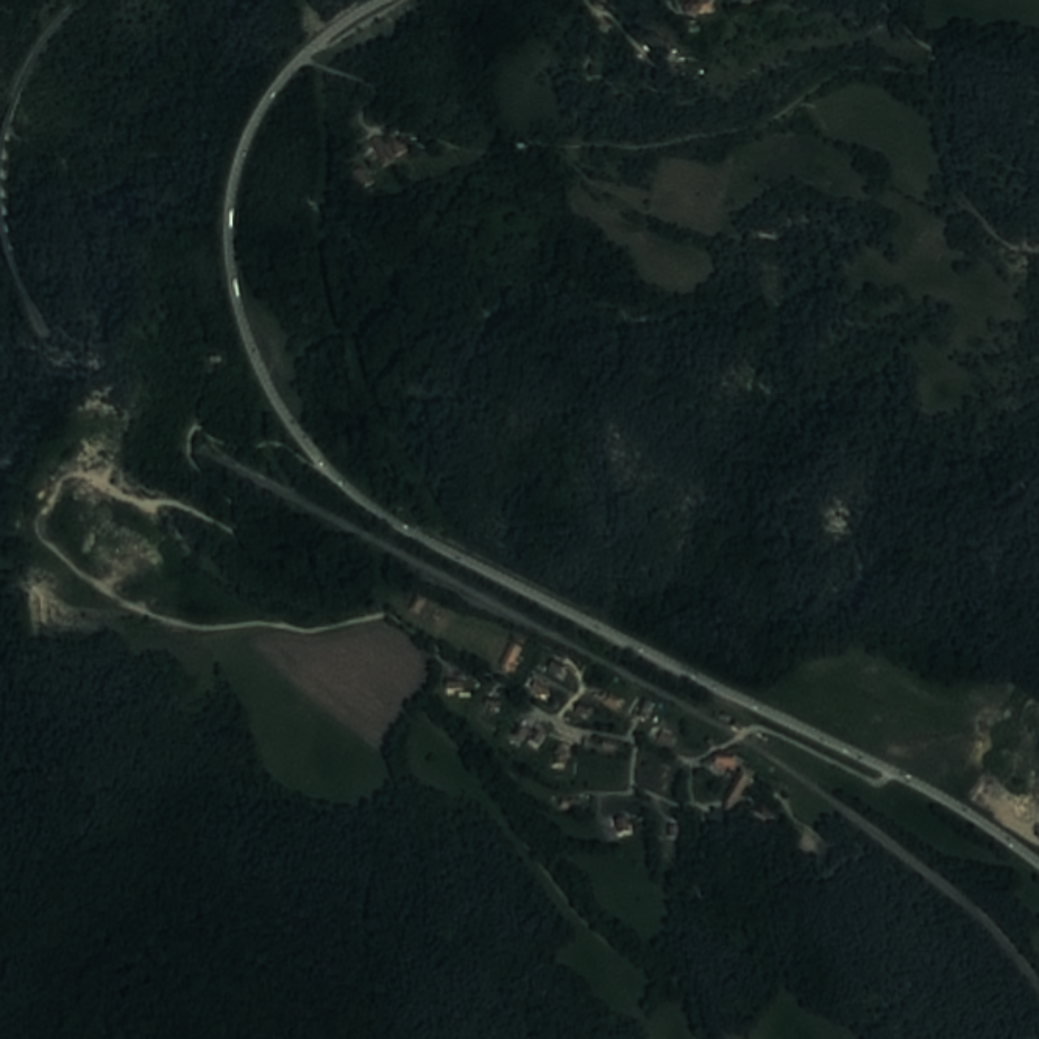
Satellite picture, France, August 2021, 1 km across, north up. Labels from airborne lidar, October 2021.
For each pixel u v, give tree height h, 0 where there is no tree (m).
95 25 6
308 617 11
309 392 11
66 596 0
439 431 17
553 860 16
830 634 14
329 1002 26
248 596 11
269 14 16
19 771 12
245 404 16
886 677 0
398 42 15
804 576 7
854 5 9
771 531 10
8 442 6
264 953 21
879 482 14
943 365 0
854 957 11
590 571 13
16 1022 24
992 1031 12
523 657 0
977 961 10
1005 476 12
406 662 0
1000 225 19
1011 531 11
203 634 0
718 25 6
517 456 18
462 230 20
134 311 13
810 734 0
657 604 22
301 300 11
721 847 14
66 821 23
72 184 11
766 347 13
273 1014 25
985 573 11
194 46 14
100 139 10
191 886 20
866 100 0
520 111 0
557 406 13
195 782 19
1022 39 16
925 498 15
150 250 7
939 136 11
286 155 14
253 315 0
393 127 9
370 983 16
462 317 24
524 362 18
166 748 23
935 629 13
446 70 11
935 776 0
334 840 19
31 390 13
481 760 25
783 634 23
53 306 13
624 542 11
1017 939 14
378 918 23
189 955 22
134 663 21
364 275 24
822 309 14
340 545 27
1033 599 14
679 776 9
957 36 18
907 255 0
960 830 11
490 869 17
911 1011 12
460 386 7
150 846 20
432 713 18
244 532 18
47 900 18
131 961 17
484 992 15
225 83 10
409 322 25
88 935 19
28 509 8
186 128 21
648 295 19
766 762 0
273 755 0
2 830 20
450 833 11
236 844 21
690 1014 14
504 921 16
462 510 14
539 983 13
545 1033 18
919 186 0
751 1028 11
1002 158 11
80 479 0
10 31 8
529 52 0
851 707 0
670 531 11
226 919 21
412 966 12
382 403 8
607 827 0
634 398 11
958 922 12
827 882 9
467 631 0
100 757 27
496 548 6
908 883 11
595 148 11
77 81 13
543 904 12
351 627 0
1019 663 15
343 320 19
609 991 0
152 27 7
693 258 0
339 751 0
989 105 9
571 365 17
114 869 17
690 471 9
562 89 13
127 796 25
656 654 0
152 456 12
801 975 11
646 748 14
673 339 15
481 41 21
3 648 13
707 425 13
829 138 9
